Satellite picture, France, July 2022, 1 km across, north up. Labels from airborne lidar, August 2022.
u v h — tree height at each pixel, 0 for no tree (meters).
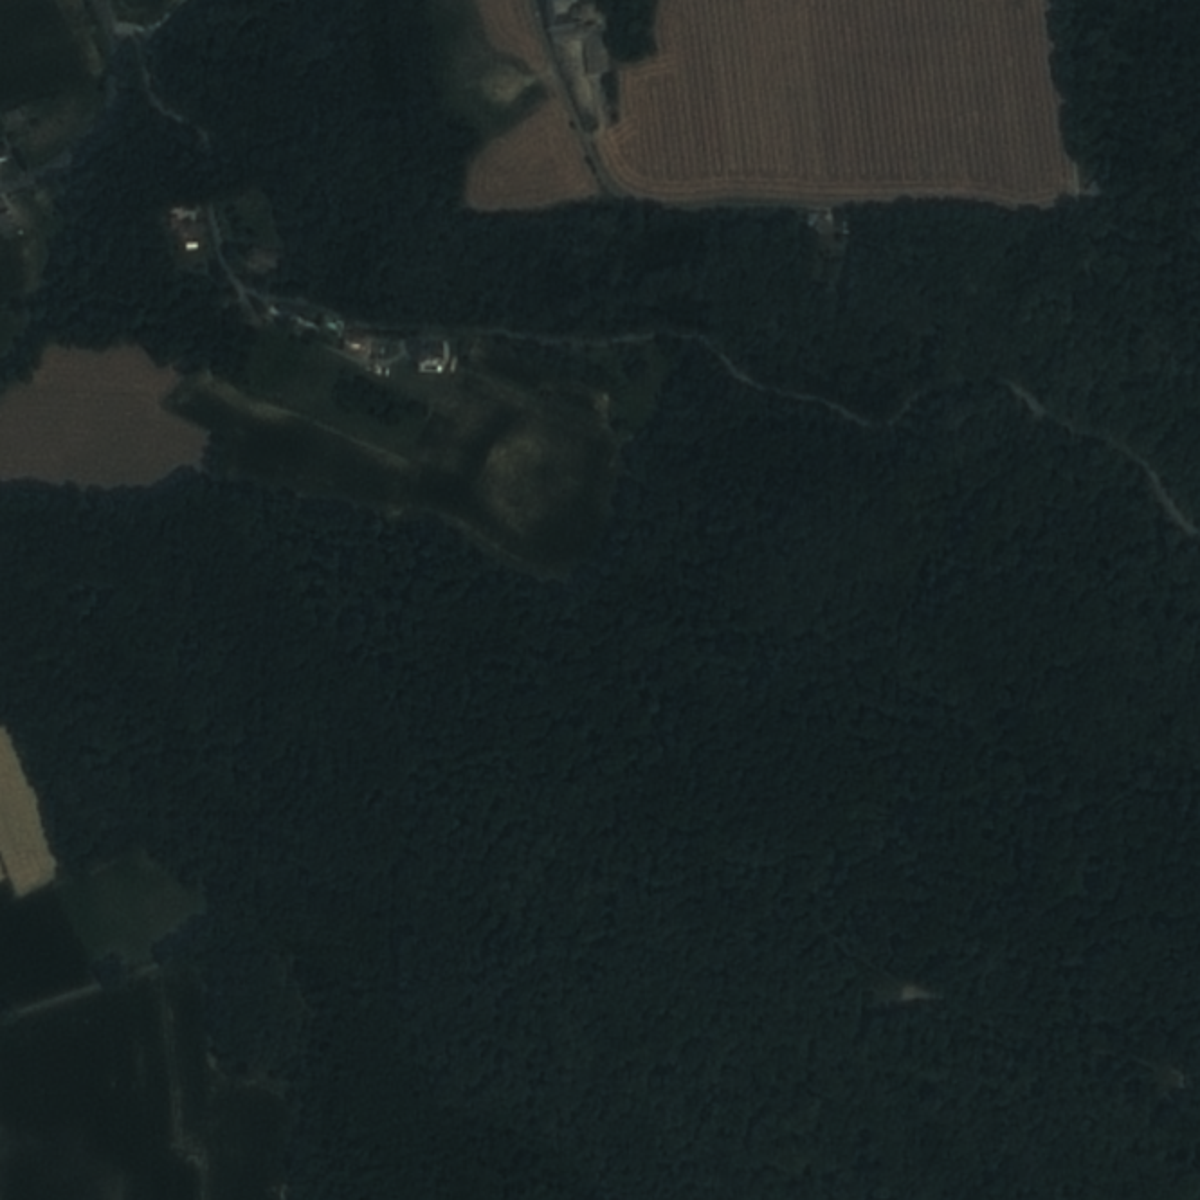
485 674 26
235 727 28
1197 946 28
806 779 28
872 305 26
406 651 31
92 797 31
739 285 32
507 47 0
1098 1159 21
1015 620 23
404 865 28
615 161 0
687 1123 28
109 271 32
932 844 27
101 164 22
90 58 0
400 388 0
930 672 26
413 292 29
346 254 14
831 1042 24
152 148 26
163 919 0
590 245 25
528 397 0
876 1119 29
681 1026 25
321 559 31
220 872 25
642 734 27
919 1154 29
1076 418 25
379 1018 10
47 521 29
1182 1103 24
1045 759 25
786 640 25
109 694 28
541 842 27
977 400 36
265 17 8
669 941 24
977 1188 30
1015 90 0
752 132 0
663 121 0
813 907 24
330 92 19
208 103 19
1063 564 27
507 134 0
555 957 25
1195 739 27
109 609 32
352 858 29
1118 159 18
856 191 0
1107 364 22
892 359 28
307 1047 13
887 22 0
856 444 23
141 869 0
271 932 26
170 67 20
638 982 25
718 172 0
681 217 10
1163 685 25
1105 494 31
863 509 30
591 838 25
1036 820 30
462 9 0
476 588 29
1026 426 25
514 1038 23
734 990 21
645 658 28
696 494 23
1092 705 23
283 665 29
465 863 24
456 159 16
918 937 25
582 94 0
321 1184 20
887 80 0
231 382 12
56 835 22
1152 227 24
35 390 0
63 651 29
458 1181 12
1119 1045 19
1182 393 28
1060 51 16
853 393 16
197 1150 0
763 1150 27
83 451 0
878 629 25
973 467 34
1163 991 28
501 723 25
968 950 25
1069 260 18
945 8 0
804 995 22
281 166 27
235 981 32
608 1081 26
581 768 30
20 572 31
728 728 28
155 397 0
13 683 28
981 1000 22
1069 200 17
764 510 28
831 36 0
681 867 25
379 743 29
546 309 21
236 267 14
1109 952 28
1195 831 25
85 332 25
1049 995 26
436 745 30
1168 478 19
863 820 28
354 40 27
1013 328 26
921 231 19
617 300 25
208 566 26
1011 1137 27
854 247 17
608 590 25
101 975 20
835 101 0
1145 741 23
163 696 25
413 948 25
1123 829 27
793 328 31
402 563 26
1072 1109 22
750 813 27
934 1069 27
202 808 17
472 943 25
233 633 30
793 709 23
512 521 0
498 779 24
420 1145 7
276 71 23
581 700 27
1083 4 6
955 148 0
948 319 28
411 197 22
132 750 28
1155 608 27
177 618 28
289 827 25
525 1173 15
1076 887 22
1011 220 21
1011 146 0
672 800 32
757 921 25
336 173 24
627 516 21
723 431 23
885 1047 27
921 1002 9
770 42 0
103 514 27
